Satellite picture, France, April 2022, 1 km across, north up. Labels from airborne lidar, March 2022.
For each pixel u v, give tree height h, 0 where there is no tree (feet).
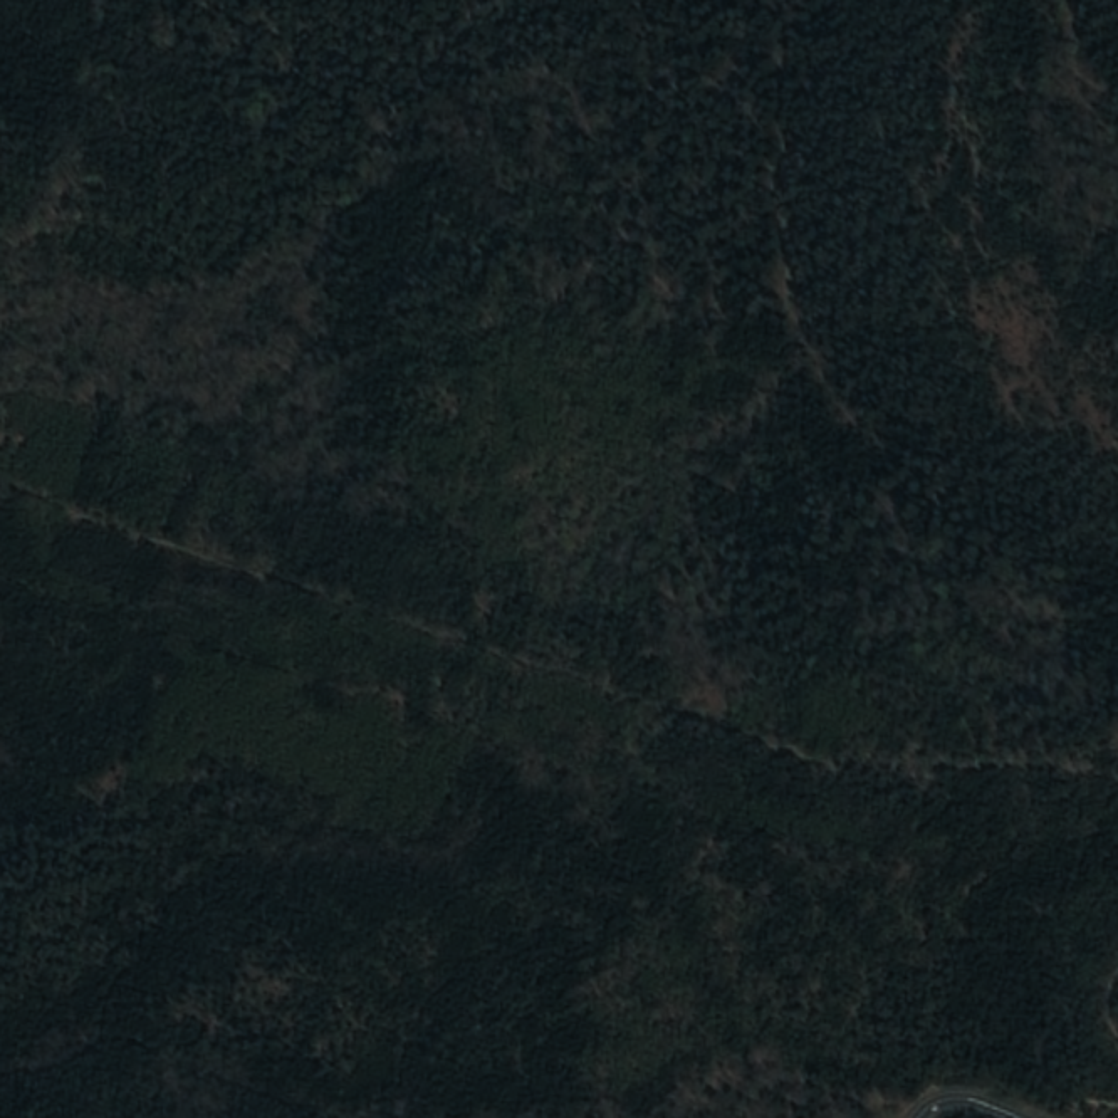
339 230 33
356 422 21
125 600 86
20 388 78
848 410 60
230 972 33
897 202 79
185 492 57
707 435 66
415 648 51
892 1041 71
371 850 35
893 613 65
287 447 49
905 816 56
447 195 43
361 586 46
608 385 55
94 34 63
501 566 31
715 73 106
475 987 37
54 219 72
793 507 44
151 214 68
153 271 36
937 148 18
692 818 47
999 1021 106
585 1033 32
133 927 81
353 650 41
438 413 38
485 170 42
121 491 32
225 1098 84
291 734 31
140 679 37
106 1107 51
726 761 65
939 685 32
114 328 63
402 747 38
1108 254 40
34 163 27
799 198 117
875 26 78
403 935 39
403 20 101
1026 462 80
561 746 51
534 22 51
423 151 35
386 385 26
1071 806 58
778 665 52
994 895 38
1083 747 42
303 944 38
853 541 55
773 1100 77
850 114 94
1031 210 25
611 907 38
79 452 33
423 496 27
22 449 22
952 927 39
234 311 75
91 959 27
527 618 37
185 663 30
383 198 39
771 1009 45
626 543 52
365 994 30
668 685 37
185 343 47
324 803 33
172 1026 31
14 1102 47
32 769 52
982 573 61
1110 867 44
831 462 51
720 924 54
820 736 26
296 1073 44
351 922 34
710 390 46
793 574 48
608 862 44
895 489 107
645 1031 49
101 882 104
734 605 80
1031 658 26
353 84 112
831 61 94
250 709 39
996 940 47
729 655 71
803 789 47
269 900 37
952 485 106
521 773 37
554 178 58
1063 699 71
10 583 26
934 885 22
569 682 43
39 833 96
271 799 77
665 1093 41
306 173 94
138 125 77
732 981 26
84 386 77
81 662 56
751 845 61
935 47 76
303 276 49
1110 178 63
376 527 50
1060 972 60
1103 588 43
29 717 45
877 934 33
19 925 76
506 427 37
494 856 33
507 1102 55
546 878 29
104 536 28
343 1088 38
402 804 42
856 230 85
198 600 56
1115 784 39
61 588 40
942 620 64
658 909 39
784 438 48
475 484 31
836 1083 31
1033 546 38
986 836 60
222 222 81
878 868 39
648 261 104
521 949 24
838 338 92
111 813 26
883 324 71
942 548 82
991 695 38
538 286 41
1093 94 80
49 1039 58
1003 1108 0
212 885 49
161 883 43
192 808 22
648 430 34
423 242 49
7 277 33
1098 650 37
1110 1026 38
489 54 98
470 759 40
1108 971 48
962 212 24
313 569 46
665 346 48
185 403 52
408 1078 31
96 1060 75
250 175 95
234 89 99
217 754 41
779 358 39
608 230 28
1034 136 49
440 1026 29
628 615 30
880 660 34
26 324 92
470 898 31
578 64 52
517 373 41
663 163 65
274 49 100
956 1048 83
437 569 40
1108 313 25
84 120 76
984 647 46
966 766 52
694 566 51
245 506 61
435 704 61
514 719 50
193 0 97
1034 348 0
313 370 62
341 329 38
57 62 65
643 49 43
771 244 45
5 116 84
